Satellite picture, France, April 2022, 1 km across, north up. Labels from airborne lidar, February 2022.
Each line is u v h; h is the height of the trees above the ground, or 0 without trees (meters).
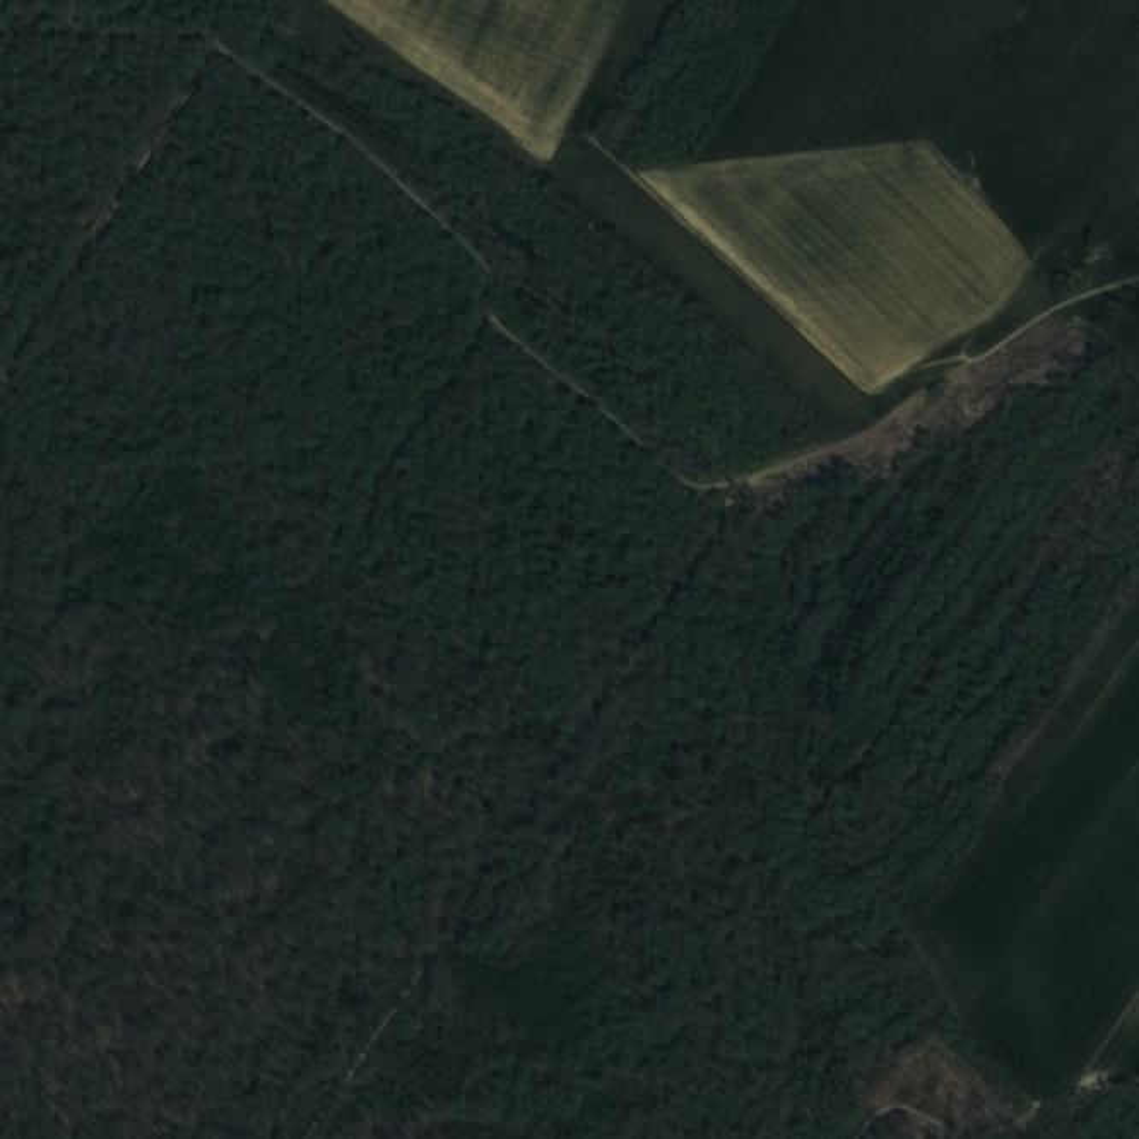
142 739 22
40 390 23
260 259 25
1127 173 0
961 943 0
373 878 23
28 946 32
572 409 23
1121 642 0
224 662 22
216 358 25
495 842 19
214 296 22
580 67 0
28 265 24
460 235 21
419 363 22
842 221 0
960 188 0
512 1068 25
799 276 0
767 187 0
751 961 24
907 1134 28
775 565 23
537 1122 21
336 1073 21
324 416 26
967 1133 21
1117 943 0
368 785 21
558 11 0
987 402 16
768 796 29
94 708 26
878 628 20
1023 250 0
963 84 0
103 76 23
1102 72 0
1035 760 0
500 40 0
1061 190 0
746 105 0
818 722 23
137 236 23
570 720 26
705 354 20
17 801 25
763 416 22
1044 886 0
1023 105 0
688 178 0
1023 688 27
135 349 24
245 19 22
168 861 28
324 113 10
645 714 25
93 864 27
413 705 26
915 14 0
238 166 22
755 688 22
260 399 27
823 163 0
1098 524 25
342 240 26
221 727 25
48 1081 28
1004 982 0
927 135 0
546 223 24
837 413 0
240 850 28
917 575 25
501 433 26
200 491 12
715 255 0
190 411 28
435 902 23
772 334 0
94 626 28
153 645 25
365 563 24
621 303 24
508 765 25
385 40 0
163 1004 17
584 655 26
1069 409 20
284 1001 29
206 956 27
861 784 14
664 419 20
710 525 19
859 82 0
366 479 23
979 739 20
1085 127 0
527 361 23
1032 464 16
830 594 26
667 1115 28
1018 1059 0
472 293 23
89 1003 27
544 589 23
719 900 22
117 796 21
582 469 24
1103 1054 0
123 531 12
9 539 24
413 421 24
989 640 24
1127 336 0
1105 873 0
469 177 27
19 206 22
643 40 0
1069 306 0
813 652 27
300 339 27
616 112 19
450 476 22
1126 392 16
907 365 0
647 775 26
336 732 23
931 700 21
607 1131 22
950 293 0
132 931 28
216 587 15
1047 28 0
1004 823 0
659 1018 25
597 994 24
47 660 26
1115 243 0
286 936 26
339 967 26
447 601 26
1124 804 0
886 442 28
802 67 0
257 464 25
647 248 0
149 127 24
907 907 7
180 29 22
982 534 22
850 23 0
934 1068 18
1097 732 0
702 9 22
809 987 23
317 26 0
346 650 22
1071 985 0
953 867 14
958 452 18
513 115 0
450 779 21
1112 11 0
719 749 22
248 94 26
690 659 21
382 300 27
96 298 23
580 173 0
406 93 21
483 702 25
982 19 0
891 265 0
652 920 28
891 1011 19
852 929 19
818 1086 31
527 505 24
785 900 28
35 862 24
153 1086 22
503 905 18
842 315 0
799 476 24
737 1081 14
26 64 26
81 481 26
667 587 14
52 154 25
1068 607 25
